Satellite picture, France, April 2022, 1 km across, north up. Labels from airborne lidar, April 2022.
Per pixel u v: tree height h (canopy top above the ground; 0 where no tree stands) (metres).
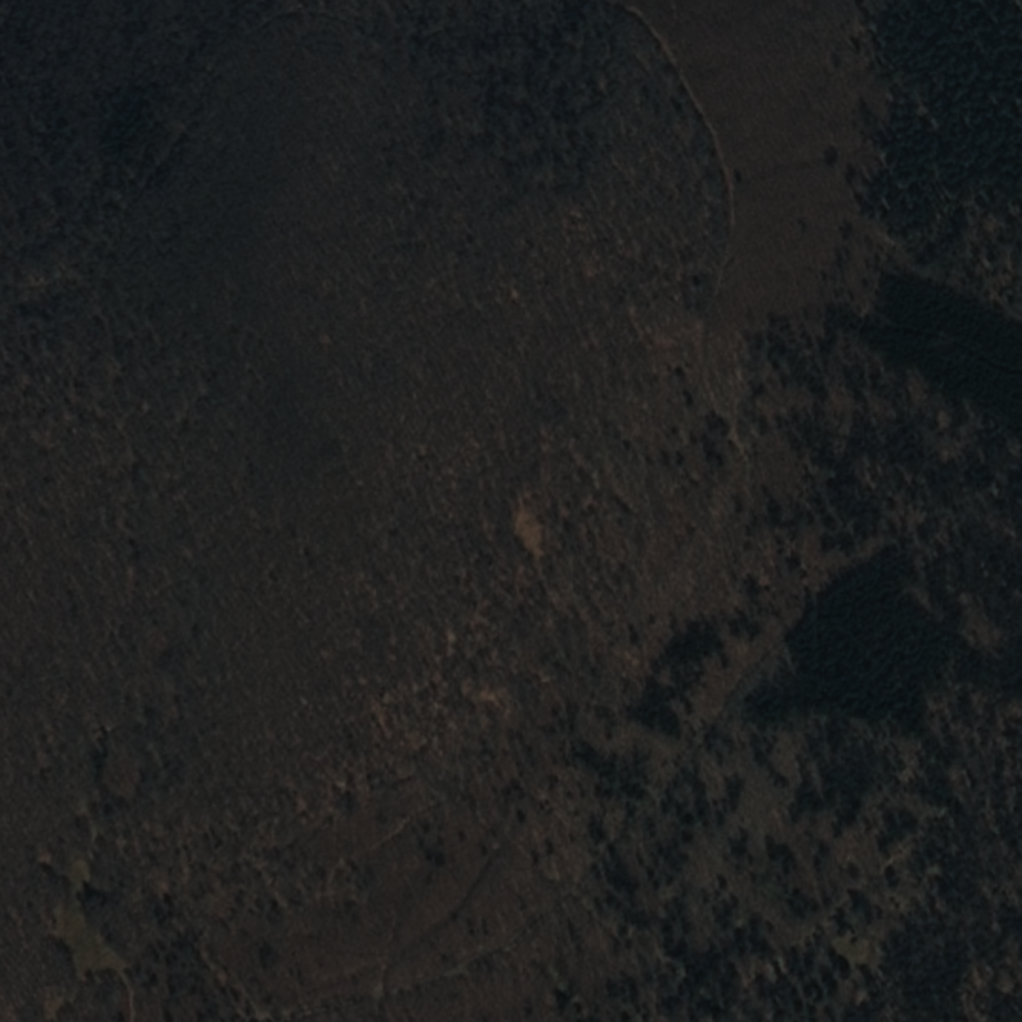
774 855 16
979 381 17
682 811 19
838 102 15
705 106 9
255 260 13
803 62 16
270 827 19
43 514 21
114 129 19
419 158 17
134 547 17
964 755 20
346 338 17
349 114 21
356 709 24
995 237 9
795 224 14
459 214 15
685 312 10
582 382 22
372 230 17
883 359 13
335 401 16
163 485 16
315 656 23
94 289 21
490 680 24
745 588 17
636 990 23
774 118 14
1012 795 26
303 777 19
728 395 19
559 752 12
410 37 19
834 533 15
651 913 19
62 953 27
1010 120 27
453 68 19
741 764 19
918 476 17
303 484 18
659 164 19
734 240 9
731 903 16
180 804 20
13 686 16
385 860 12
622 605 14
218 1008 16
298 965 15
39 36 19
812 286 12
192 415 13
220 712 20
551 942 16
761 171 9
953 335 13
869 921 19
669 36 7
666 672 12
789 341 15
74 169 18
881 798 19
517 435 21
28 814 24
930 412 17
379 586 20
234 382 17
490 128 13
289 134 17
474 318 20
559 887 14
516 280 18
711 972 16
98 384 19
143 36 20
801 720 18
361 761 21
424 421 21
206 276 12
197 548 22
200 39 16
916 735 16
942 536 16
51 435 21
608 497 13
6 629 22
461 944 18
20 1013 24
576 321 21
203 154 14
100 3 21
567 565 24
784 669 22
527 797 14
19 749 23
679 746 14
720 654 13
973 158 27
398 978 14
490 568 23
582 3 10
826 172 14
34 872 25
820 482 17
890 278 13
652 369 20
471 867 14
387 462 19
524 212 17
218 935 19
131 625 22
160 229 16
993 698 20
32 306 9
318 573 18
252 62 15
